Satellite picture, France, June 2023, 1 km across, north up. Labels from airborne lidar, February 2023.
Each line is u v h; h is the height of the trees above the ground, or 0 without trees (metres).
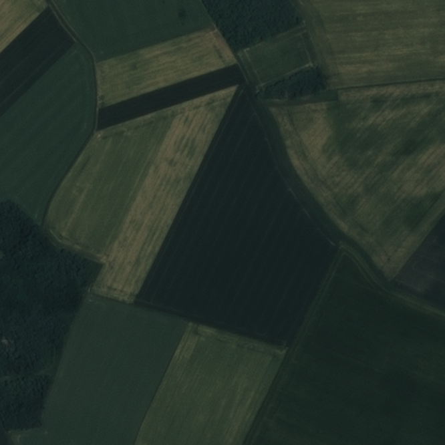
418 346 0
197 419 0
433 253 0
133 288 0
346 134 0
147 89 0
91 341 0
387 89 0
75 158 0
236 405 0
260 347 0
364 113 0
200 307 0
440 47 0
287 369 0
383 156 0
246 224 0
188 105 0
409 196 0
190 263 0
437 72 0
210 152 0
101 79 0
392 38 0
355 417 0
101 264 0
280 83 11
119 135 0
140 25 0
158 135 0
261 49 0
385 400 0
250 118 0
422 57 0
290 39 0
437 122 0
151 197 0
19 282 23
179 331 0
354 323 0
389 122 0
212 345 0
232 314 0
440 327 0
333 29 0
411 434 0
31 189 0
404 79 0
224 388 0
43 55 0
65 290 19
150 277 0
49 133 0
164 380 0
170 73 0
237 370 0
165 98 0
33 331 12
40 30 0
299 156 0
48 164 0
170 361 0
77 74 0
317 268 0
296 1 0
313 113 0
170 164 0
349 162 0
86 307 0
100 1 0
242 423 0
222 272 0
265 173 0
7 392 17
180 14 0
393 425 0
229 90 0
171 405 0
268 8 22
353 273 0
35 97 0
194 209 0
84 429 0
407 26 0
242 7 21
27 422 15
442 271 0
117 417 0
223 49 0
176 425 0
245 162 0
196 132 0
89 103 0
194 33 0
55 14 0
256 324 0
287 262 0
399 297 0
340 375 0
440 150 0
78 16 0
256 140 0
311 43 0
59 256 20
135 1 0
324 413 0
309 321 0
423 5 0
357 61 0
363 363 0
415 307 0
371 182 0
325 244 0
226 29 15
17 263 22
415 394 0
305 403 0
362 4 0
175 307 0
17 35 0
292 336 0
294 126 0
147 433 0
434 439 0
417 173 0
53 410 0
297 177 0
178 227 0
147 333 0
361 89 0
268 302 0
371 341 0
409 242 0
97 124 0
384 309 0
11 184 0
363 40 0
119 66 0
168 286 0
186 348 0
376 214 0
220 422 0
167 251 0
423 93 0
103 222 0
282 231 0
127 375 0
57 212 0
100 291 0
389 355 0
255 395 0
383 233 0
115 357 0
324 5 0
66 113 0
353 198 0
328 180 0
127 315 0
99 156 0
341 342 0
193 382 0
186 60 0
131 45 0
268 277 0
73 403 0
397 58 0
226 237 0
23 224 21
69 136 0
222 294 0
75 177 0
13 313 20
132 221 0
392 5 0
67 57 0
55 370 0
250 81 0
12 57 0
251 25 21
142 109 0
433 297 0
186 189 0
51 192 0
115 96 0
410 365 0
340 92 0
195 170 0
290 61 0
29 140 0
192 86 0
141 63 0
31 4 0
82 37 0
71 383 0
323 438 0
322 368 0
